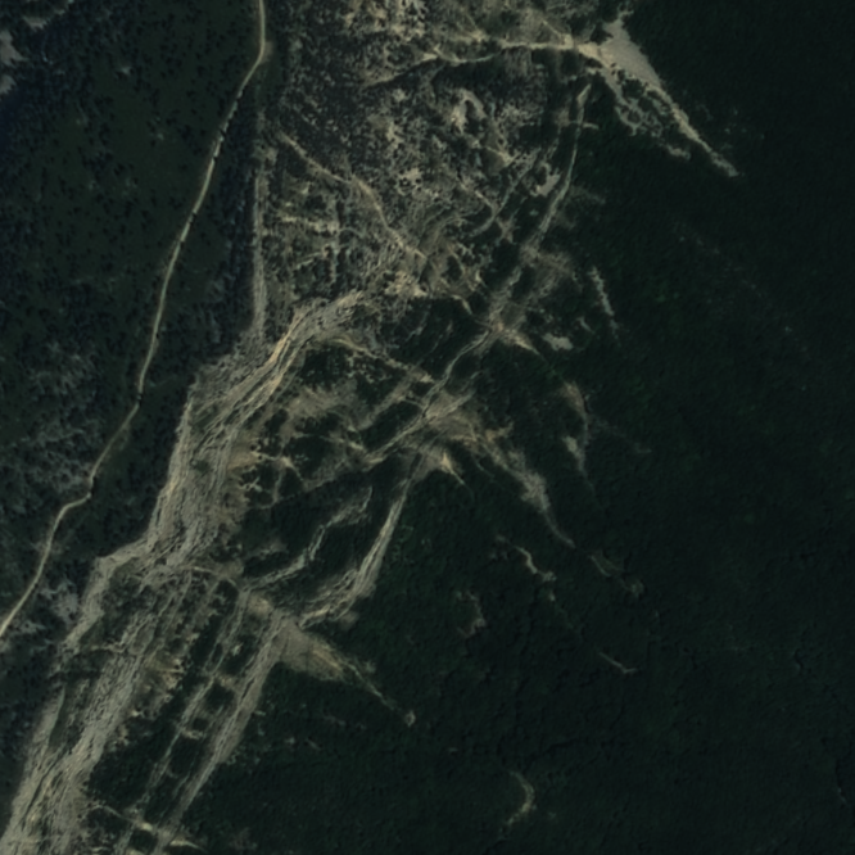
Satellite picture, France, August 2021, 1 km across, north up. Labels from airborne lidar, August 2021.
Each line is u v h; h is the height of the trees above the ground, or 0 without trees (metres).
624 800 18
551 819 6
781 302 9
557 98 8
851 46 12
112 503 0
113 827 8
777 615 22
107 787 12
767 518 25
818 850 22
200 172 0
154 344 0
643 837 22
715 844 19
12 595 0
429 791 16
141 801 11
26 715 8
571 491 25
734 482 26
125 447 0
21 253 7
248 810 10
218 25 0
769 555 22
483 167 6
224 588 9
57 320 6
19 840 0
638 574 27
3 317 15
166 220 0
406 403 8
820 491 20
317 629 10
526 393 13
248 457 0
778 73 12
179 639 7
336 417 8
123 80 10
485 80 11
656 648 22
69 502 0
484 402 10
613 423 8
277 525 8
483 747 24
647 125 8
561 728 28
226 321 7
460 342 11
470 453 7
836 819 24
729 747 22
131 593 6
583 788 21
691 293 14
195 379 6
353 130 8
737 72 9
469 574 28
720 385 19
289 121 7
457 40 0
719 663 31
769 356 16
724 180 14
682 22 16
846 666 21
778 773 19
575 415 14
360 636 21
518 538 23
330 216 7
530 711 27
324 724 30
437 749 24
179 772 10
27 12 12
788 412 8
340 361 9
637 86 12
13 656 0
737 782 24
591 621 20
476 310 7
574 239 13
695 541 21
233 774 19
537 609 26
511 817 11
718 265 8
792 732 13
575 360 9
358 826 9
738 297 7
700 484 17
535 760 16
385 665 13
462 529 24
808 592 24
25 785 0
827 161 11
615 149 20
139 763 6
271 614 6
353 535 7
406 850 20
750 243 18
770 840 13
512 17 6
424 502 19
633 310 14
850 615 22
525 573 12
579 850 20
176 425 6
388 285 10
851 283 11
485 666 24
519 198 13
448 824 22
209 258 0
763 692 30
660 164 14
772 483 15
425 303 5
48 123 10
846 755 14
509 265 8
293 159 9
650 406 10
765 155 10
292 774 17
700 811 25
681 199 12
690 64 10
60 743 0
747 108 8
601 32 11
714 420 15
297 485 8
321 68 8
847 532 28
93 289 9
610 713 16
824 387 7
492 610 24
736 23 17
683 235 5
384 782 21
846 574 32
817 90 11
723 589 9
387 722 13
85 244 0
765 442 20
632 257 15
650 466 17
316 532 11
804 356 6
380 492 9
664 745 22
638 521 31
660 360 7
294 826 11
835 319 17
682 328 16
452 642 13
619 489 26
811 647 17
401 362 11
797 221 15
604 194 8
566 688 25
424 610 17
